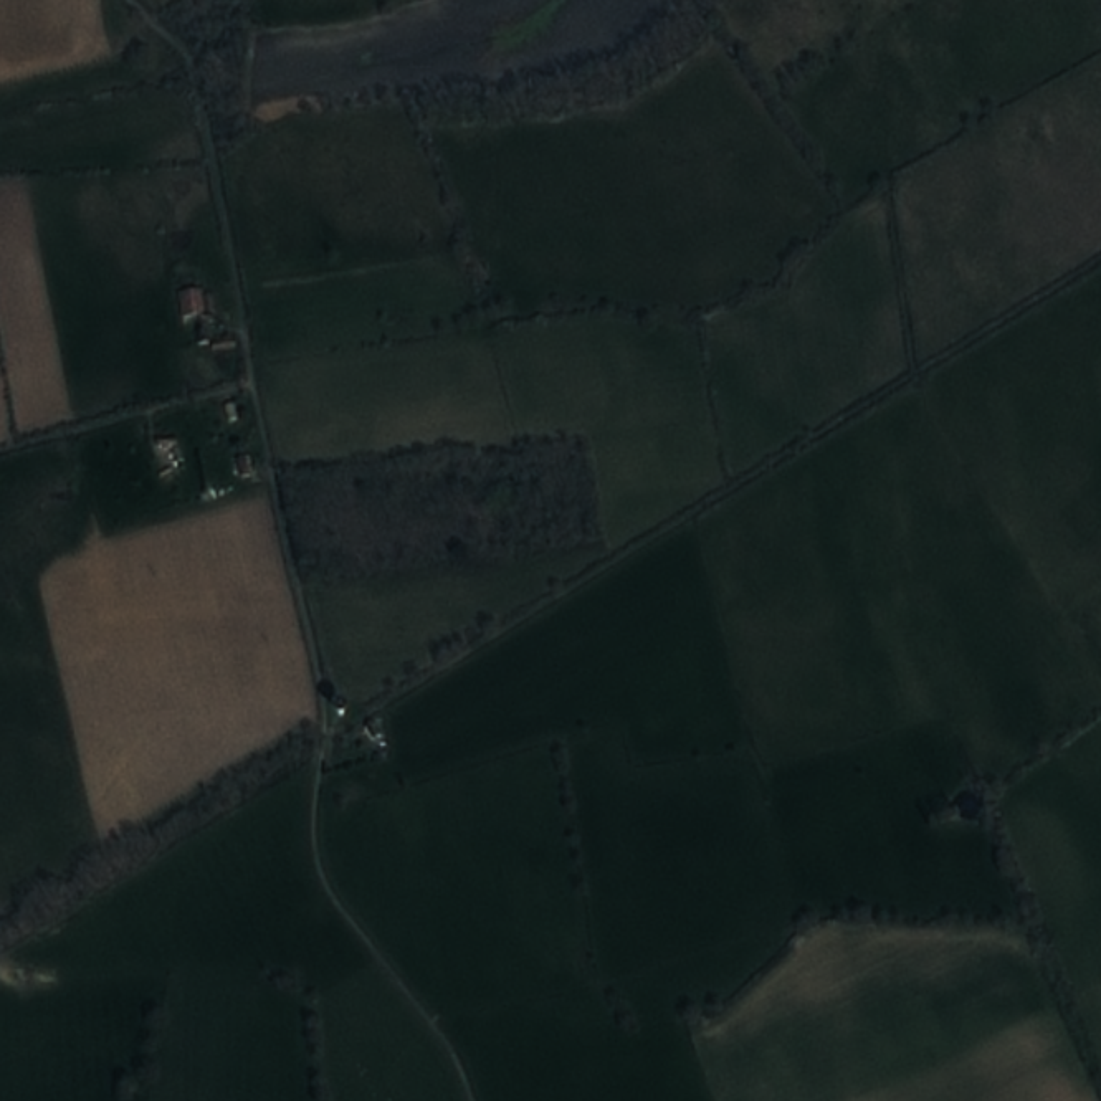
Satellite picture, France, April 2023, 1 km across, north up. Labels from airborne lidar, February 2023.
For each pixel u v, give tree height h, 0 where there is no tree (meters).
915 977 0
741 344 0
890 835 0
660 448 0
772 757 0
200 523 0
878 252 0
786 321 0
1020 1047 0
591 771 0
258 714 0
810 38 0
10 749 0
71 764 0
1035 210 0
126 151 0
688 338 0
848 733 0
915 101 0
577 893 17
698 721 0
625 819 0
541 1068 0
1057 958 12
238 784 12
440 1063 0
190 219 0
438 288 0
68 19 0
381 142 0
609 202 0
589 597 0
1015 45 0
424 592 0
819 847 0
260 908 0
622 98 16
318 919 0
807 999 0
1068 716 0
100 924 0
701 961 0
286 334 0
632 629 0
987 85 0
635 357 0
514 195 0
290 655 0
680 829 0
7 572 0
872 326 0
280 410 0
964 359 0
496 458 15
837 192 11
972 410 0
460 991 0
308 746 8
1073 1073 0
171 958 0
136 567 0
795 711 0
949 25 0
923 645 0
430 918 0
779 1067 0
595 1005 0
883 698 0
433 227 0
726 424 0
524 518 14
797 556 0
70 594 0
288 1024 0
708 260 0
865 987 0
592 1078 0
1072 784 0
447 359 0
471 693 0
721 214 0
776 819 0
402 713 0
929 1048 0
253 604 0
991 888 0
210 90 21
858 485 0
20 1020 0
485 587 0
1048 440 0
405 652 0
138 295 0
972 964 0
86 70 0
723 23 18
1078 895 0
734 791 0
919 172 0
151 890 0
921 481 0
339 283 0
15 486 0
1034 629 0
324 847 0
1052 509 0
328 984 0
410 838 0
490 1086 0
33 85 0
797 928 14
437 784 0
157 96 0
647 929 0
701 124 0
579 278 0
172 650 0
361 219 0
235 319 0
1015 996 0
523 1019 0
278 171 0
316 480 18
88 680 0
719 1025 0
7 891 0
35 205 0
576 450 10
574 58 0
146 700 0
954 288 0
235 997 0
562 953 0
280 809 0
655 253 0
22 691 0
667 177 0
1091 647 0
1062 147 0
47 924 22
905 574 0
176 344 0
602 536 10
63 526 0
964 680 0
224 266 0
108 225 0
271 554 0
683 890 0
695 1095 0
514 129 0
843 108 0
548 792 0
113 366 0
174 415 0
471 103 21
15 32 0
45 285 0
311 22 0
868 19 0
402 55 0
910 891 0
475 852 0
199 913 0
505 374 0
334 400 0
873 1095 0
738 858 0
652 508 0
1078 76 0
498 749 0
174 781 0
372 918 0
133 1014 0
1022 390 0
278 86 0
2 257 0
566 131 0
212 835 0
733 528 0
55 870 0
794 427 0
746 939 0
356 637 0
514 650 0
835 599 0
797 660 0
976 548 0
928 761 0
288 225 0
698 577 0
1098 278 0
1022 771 9
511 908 0
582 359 0
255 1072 0
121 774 0
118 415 5
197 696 0
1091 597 0
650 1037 0
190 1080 0
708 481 0
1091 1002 0
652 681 0
